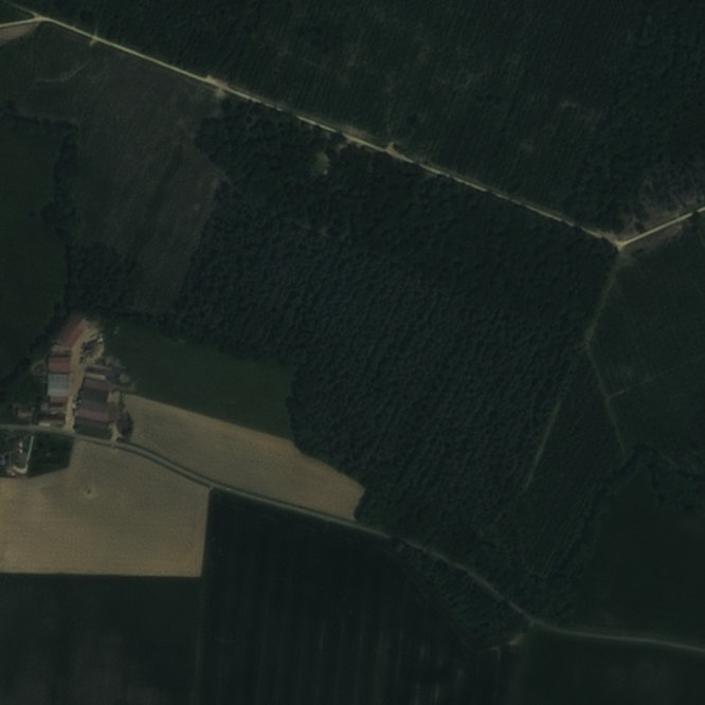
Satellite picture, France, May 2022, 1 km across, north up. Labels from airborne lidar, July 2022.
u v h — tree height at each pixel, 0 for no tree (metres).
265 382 0
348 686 0
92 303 18
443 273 23
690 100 12
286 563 0
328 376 12
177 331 23
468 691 0
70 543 0
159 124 0
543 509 6
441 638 0
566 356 19
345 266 29
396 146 10
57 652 0
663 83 19
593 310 23
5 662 0
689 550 0
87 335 0
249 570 0
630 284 5
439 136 6
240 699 0
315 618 0
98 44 0
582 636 0
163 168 0
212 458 0
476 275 31
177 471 0
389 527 22
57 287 0
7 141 0
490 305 23
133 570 0
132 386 0
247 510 0
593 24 6
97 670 0
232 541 0
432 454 19
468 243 25
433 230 29
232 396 0
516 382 24
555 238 26
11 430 0
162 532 0
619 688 0
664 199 24
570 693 0
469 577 23
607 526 0
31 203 0
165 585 0
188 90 0
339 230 28
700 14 28
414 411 11
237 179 15
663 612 0
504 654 0
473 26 6
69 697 0
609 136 23
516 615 21
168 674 0
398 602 0
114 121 0
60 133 22
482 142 6
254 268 22
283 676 0
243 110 11
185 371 0
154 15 8
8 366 0
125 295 23
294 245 24
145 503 0
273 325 6
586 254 19
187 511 0
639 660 0
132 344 0
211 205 0
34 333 0
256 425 0
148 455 0
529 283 25
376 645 0
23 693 0
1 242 0
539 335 23
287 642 0
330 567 0
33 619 0
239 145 26
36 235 0
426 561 25
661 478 22
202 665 0
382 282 16
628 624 0
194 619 0
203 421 0
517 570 23
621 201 16
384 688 0
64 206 22
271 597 0
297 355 22
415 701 0
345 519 0
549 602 21
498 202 21
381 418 25
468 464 22
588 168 21
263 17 11
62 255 0
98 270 22
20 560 0
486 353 13
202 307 25
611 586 0
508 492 25
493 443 24
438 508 23
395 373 20
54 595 0
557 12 7
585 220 25
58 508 0
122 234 0
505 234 22
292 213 19
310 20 5
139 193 0
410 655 0
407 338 9
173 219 0
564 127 7
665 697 0
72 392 0
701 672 0
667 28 24
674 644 0
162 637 0
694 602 0
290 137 14
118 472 0
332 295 26
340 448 25
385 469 19
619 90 21
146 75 0
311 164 8
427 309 16
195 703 0
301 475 0
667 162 20
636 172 23
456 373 22
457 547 26
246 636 0
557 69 8
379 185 29
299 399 25
